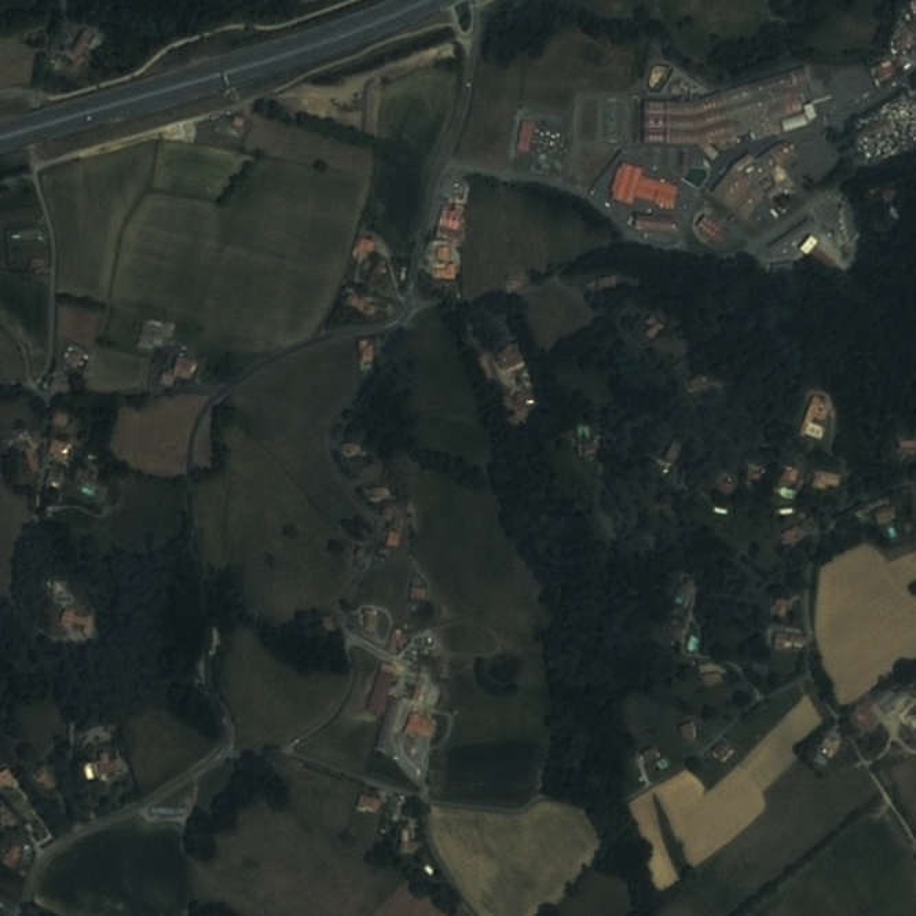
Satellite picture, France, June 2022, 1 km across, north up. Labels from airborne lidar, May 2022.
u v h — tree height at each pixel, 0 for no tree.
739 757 0
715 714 13
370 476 0
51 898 0
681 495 22
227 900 0
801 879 0
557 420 18
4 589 0
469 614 0
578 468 0
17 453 10
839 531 11
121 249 0
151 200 0
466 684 0
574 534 29
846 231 0
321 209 0
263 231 0
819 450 8
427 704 0
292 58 0
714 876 0
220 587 14
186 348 0
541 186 8
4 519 0
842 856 0
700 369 21
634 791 0
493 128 0
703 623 9
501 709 0
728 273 19
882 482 17
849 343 18
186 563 7
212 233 0
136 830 0
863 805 0
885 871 0
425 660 0
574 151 0
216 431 14
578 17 12
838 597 0
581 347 20
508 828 0
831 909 0
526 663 0
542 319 0
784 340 22
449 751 0
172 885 0
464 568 0
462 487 9
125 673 25
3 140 0
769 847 0
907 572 0
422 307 0
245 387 0
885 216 13
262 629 8
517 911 0
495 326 19
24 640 25
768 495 20
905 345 27
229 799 18
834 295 21
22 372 0
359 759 0
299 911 0
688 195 0
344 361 0
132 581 23
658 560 22
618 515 24
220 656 13
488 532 0
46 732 0
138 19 24
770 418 6
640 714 0
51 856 0
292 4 6
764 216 0
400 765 0
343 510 0
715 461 25
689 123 0
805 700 0
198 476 11
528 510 21
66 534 14
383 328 0
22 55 0
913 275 23
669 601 14
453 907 15
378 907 0
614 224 7
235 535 0
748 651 12
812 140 0
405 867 13
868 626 0
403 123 0
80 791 20
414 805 15
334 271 0
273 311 0
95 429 9
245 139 0
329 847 0
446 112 0
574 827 0
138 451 0
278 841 0
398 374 20
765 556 0
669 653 20
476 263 0
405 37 0
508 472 17
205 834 21
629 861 22
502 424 21
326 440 0
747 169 0
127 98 0
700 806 0
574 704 20
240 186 15
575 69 0
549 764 9
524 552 20
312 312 0
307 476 0
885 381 24
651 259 22
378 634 0
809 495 8
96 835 0
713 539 23
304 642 11
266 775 20
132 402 11
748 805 0
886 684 12
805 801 0
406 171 0
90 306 13
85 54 0
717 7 0
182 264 0
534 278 10
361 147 13
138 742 0
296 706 0
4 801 10
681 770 0
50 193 0
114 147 0
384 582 0
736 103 0
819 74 0
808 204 0
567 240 0
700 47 0
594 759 20
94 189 0
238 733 0
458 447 0
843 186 18
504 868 0
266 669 0
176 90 0
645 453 11
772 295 23
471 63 0
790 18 23
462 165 0
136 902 0
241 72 0
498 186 8
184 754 0
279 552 0
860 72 0
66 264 0
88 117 0
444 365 0
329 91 0
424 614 11
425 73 0
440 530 0
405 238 0
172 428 0
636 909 12
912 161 17
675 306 21
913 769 0
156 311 0
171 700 20
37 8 12
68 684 21
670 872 0
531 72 0
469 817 0
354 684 0
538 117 0
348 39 0
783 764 0
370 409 10
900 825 0
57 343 0
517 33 15
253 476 0
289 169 0
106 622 7
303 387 0
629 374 25
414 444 18
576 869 0
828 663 0
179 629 11
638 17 17
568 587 20
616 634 24
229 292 0
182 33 10
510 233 0
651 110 0
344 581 0
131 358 0
